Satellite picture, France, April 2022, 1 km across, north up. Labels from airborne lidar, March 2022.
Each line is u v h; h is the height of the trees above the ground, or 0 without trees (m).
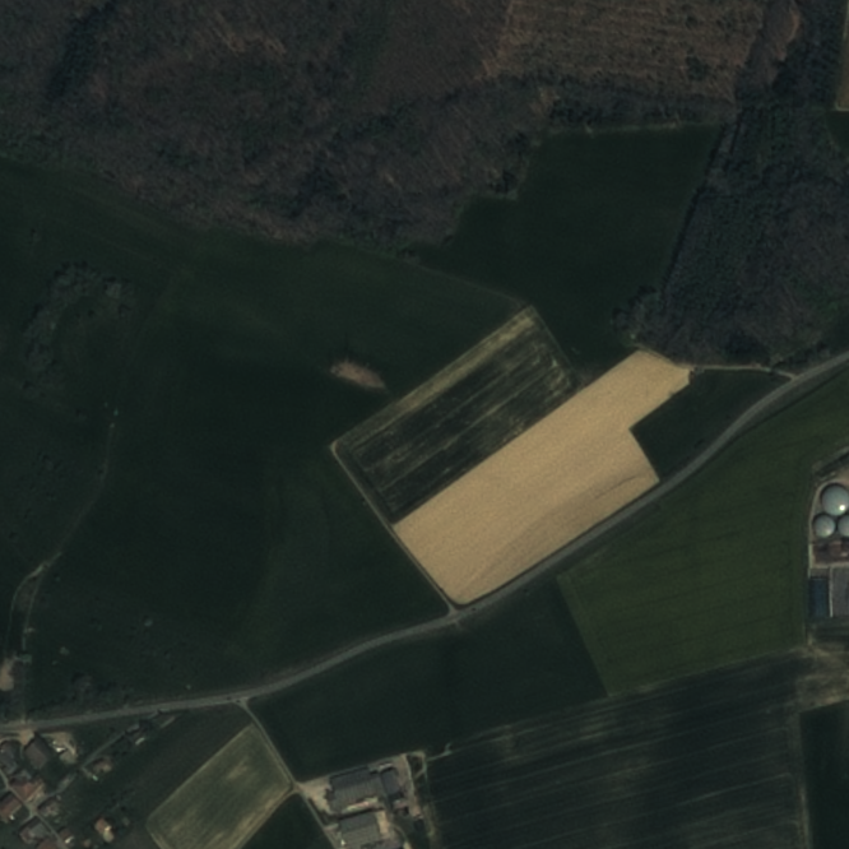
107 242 0
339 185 13
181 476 0
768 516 0
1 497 0
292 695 0
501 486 0
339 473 0
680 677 0
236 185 27
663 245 0
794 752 0
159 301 0
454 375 0
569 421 0
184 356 0
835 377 0
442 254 0
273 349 0
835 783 0
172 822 0
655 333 27
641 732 0
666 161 0
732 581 0
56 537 0
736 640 0
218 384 0
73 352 0
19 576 0
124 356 0
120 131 20
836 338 0
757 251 18
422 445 0
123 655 0
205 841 0
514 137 26
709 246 21
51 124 18
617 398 0
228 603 0
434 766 0
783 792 0
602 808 0
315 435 0
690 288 23
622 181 0
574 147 0
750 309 21
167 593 0
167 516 0
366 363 0
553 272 0
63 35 25
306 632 0
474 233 0
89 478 0
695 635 0
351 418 0
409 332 0
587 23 0
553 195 0
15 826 8
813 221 27
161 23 21
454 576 0
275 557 0
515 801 0
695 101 10
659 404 0
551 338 0
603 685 0
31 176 0
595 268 0
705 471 0
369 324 0
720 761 0
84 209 0
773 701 0
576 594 0
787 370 11
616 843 0
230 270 0
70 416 0
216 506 0
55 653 0
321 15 20
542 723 0
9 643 0
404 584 0
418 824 0
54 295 14
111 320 0
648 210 0
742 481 0
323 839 0
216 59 10
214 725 0
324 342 0
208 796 0
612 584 0
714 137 0
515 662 0
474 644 0
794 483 0
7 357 0
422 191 29
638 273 0
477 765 0
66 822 0
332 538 0
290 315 0
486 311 0
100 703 15
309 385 0
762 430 0
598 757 0
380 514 0
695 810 0
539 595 0
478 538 0
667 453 0
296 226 27
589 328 0
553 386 0
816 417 0
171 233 0
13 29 25
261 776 0
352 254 0
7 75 22
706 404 0
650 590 0
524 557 0
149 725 11
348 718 0
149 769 0
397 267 0
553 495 0
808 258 28
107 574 0
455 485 0
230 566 0
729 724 0
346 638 0
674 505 0
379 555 0
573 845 0
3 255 0
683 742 0
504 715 0
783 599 0
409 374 0
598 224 0
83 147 25
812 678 0
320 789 0
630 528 0
